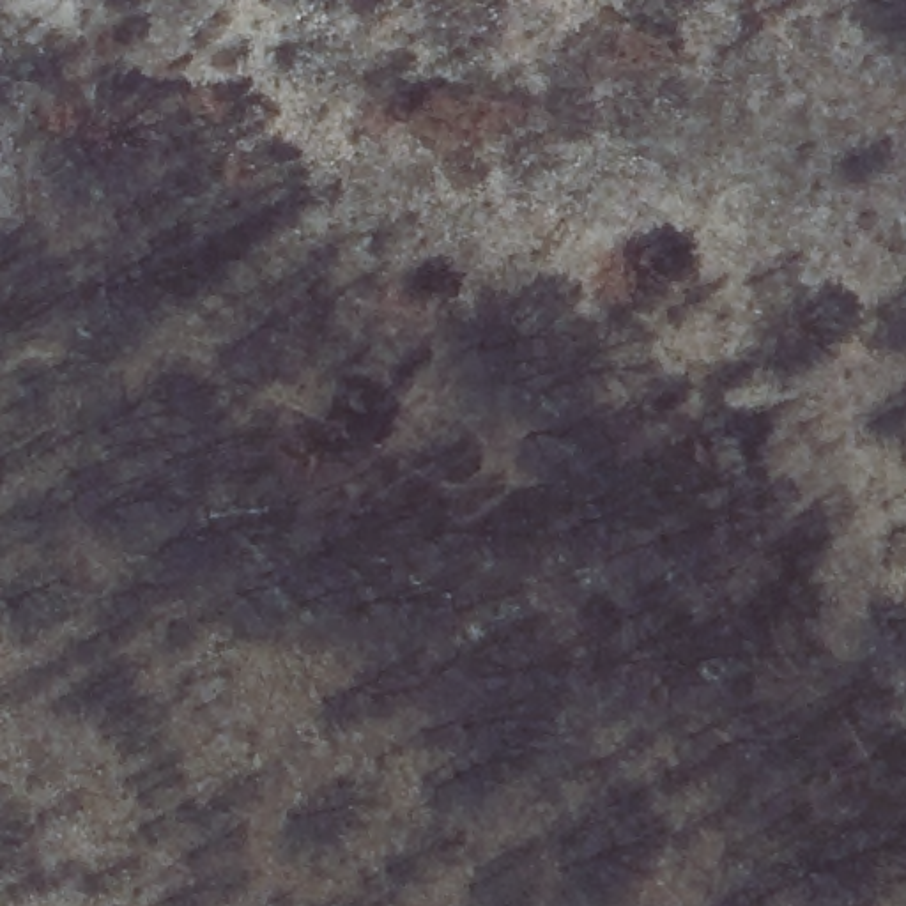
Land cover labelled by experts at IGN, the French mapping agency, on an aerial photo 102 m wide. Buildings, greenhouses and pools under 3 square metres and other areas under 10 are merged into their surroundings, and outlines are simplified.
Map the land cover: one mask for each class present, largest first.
<instances>
[{"label":"coniferous trees","instance_id":"1","mask_svg":"<svg viewBox=\"0 0 906 906\"><path fill-rule=\"evenodd\" d=\"M708 0H626L623 7H602L591 21L563 35L556 64L541 67L549 85L545 92H531L524 85L520 67H506L499 74L474 71L464 74V81L474 85V96L453 103L432 96L403 124H393L386 138L354 142V159H340L333 152L319 156L308 166L301 163L294 173H287V180H269L262 188H230L223 177L227 159L205 149V142L195 131L191 110H177L159 124H138V117L152 110L159 99L184 96L191 88L188 78H149L138 67L127 71L124 60L131 42L149 35L145 0H106V28H99L96 35L71 39L60 28H53L42 42H32L39 53L57 50L67 67L60 78L46 85L57 103L46 110L32 106L28 124L14 134V216H0V906H906V0H754L757 18L764 21L757 39L729 60L711 57V81H683L680 64H697V57L683 50V11L701 7Z\"/></svg>","mask_w":906,"mask_h":906},{"label":"bare soil","instance_id":"2","mask_svg":"<svg viewBox=\"0 0 906 906\"><path fill-rule=\"evenodd\" d=\"M53 28H60L71 39L96 35L99 28H106V0H0V216H14V134L28 124L32 106L46 110L57 103L46 85L60 78L67 67L57 50L39 53L32 42H42ZM626 0H145L149 35L131 42L124 60L127 71L138 67L149 78H188L191 88L184 96L159 99L152 110L138 117V124H159L177 110H191L195 131L205 142V149L227 159L223 177L230 188H262L269 180H287V173H294L301 163L308 166L319 156L333 152L340 159H354V142L386 138L393 124H403L432 96L453 103L474 96V85L464 81V74L474 71L499 74L506 67H520L524 85L531 92H545L549 85L541 67L556 64L563 35L591 21L602 7H623ZM764 21L757 18L754 0H708L701 7L683 11V50L697 57V64H680L683 81H711V57L729 60L757 39Z\"/></svg>","mask_w":906,"mask_h":906}]
</instances>
